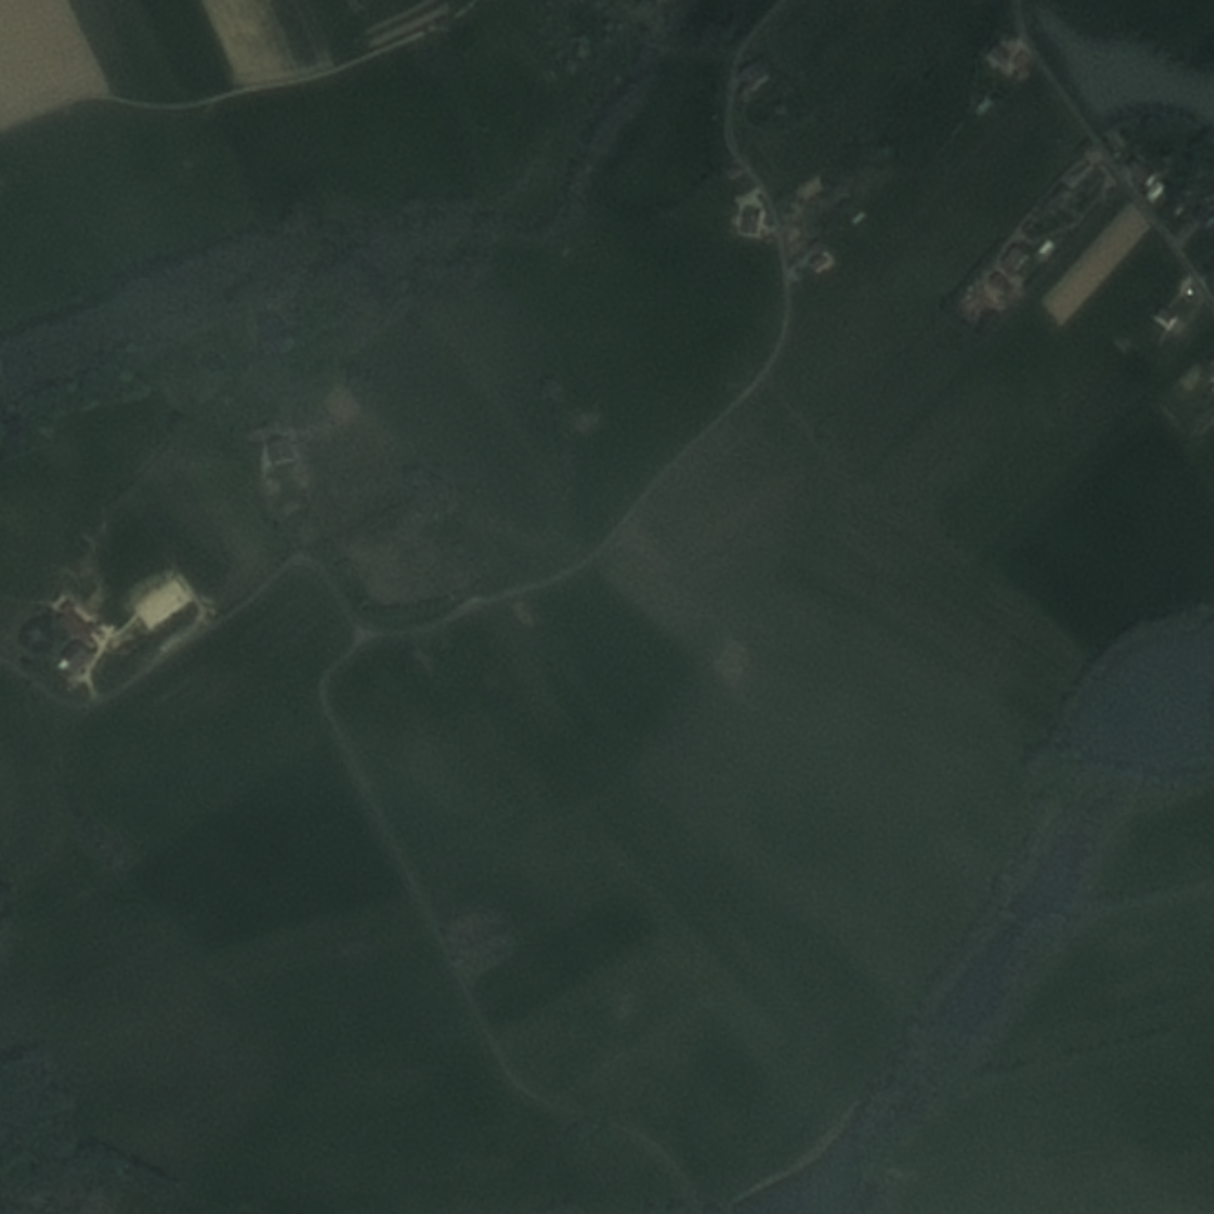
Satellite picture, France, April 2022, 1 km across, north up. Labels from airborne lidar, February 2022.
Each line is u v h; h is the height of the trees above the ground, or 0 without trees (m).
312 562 0
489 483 0
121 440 0
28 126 0
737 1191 0
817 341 0
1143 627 16
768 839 0
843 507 0
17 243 0
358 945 0
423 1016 0
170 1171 0
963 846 0
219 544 0
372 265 21
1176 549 0
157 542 0
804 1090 0
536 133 0
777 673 0
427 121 0
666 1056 0
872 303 0
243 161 0
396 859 0
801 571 0
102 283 0
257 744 0
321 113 0
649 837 0
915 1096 23
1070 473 0
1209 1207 0
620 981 0
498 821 0
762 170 0
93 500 0
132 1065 0
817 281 0
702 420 0
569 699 0
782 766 0
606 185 0
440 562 0
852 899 0
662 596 0
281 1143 0
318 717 0
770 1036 0
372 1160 0
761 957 0
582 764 0
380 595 0
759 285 0
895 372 0
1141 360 0
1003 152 0
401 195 0
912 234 0
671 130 0
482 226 16
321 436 18
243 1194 0
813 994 0
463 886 0
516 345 0
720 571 0
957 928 0
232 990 0
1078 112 0
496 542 0
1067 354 0
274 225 0
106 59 0
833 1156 0
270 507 0
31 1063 25
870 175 0
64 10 0
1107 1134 0
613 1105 0
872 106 0
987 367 0
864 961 0
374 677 0
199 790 0
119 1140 0
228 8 0
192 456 0
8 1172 18
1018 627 0
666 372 0
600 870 0
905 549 0
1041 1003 0
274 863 0
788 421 0
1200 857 0
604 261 0
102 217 0
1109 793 26
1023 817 0
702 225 0
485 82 0
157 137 0
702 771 0
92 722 0
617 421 0
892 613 0
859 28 0
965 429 0
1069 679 0
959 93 0
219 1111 0
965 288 6
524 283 0
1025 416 0
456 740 0
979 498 0
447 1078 0
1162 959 0
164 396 0
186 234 0
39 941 0
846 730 0
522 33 0
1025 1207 0
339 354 19
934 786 0
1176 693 0
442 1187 0
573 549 0
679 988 0
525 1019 0
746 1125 0
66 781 0
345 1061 0
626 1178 0
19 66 0
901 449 0
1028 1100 0
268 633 0
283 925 0
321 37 0
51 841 0
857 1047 0
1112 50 0
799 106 0
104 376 17
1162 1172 0
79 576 0
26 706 0
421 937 0
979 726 0
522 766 0
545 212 0
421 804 0
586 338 0
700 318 0
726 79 0
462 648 0
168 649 0
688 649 0
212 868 0
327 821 0
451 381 0
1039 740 0
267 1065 0
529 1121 0
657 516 0
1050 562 0
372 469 0
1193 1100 0
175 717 0
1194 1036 0
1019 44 0
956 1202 0
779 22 0
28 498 0
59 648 0
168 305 21
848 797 0
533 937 0
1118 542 0
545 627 0
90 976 0
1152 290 0
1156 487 0
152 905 0
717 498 0
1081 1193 0
